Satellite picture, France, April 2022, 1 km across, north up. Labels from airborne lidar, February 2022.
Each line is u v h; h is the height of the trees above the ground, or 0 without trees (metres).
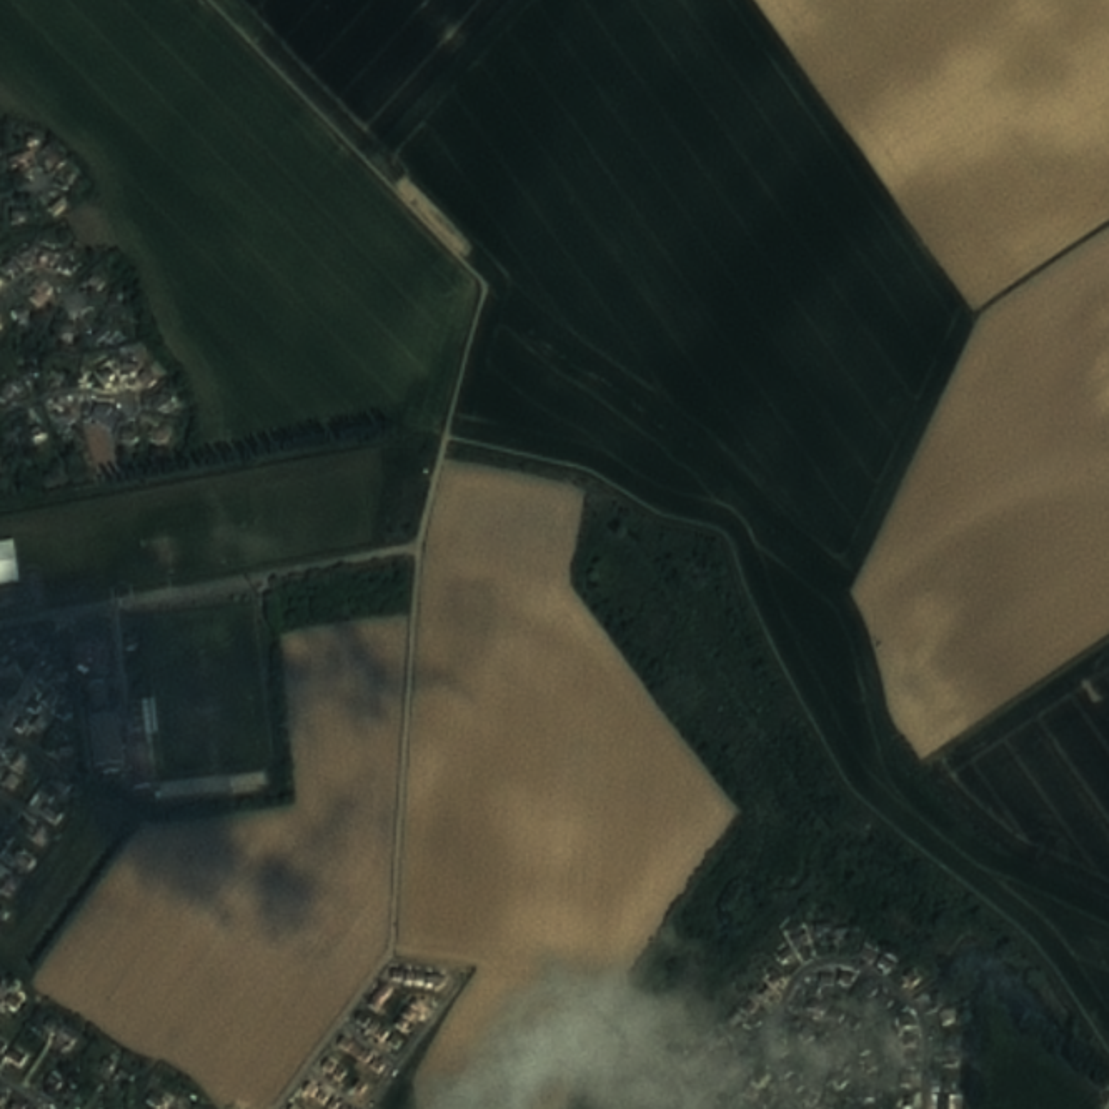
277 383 0
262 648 0
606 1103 0
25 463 13
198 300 0
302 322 0
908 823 0
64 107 0
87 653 0
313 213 0
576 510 0
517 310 0
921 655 0
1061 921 0
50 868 0
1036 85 0
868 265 0
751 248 0
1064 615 0
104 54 0
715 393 0
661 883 0
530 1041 0
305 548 0
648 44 0
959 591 0
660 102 0
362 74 0
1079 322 0
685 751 0
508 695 0
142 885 0
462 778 0
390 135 0
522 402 0
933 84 0
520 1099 0
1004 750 0
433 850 0
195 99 0
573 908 0
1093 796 0
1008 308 0
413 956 0
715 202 0
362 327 0
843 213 0
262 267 0
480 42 0
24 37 0
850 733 0
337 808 0
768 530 0
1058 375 0
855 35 0
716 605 0
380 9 0
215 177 0
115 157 0
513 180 0
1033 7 0
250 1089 0
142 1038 0
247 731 0
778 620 0
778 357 0
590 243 0
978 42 0
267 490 0
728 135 0
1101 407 0
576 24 0
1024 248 0
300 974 0
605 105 0
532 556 0
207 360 0
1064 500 0
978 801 0
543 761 0
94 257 15
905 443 0
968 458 0
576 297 0
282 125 0
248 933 0
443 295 0
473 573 0
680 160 0
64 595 0
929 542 0
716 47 0
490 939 0
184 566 0
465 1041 0
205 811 10
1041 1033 30
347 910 0
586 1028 0
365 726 0
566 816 0
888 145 0
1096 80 0
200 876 0
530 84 0
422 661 0
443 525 0
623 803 0
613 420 0
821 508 0
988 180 0
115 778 0
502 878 0
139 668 12
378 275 0
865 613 0
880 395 0
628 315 0
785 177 0
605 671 0
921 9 0
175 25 0
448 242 0
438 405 0
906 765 0
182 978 0
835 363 0
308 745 0
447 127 0
